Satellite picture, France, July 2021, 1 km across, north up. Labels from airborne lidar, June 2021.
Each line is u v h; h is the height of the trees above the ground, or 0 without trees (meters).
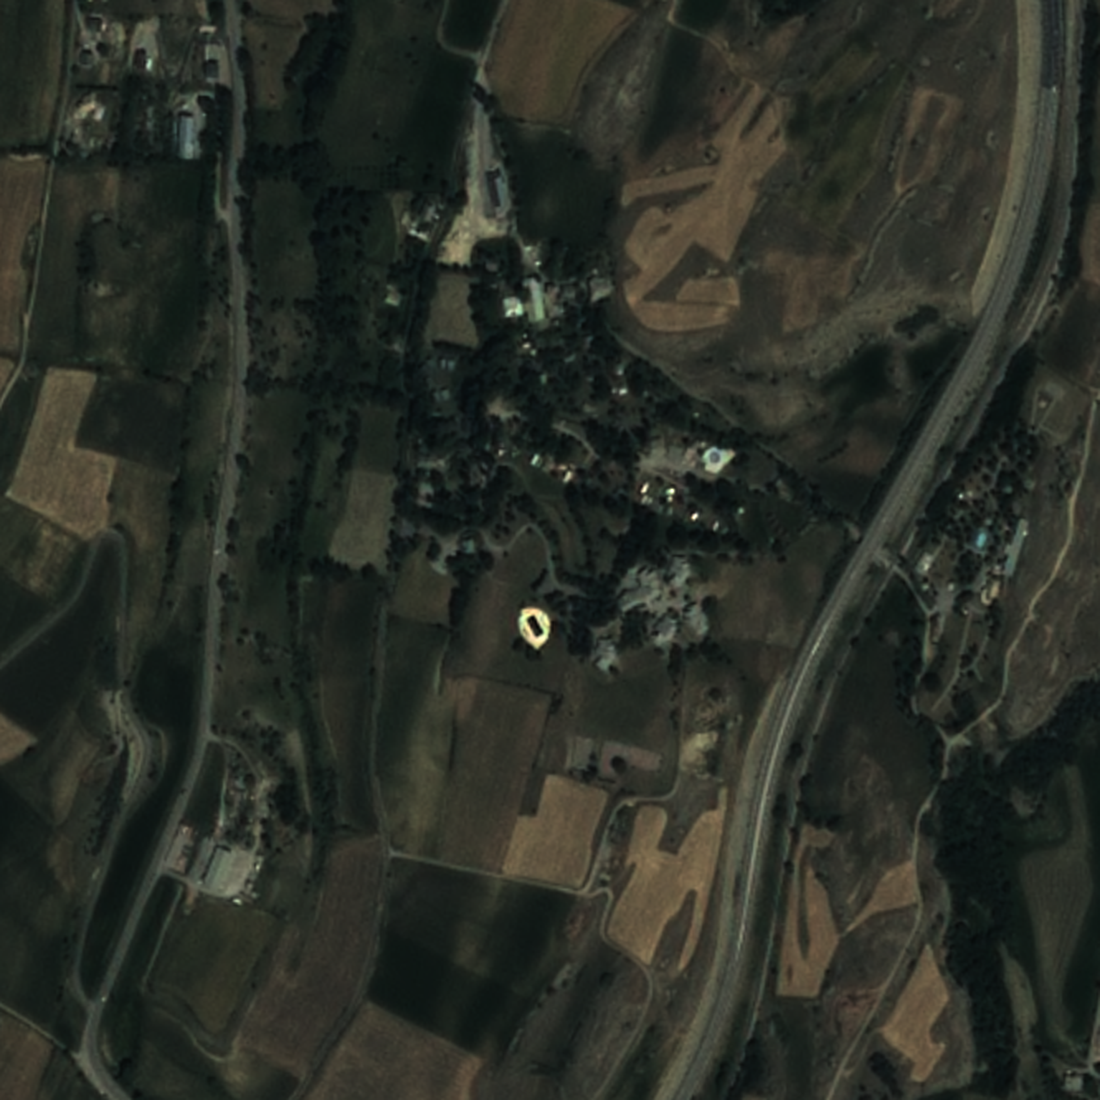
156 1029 0
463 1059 0
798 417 0
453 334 0
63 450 0
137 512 0
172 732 0
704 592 0
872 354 0
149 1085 0
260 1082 0
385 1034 0
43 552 0
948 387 0
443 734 0
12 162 0
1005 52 0
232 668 0
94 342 0
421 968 0
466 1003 0
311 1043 0
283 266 0
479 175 0
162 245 0
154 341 0
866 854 0
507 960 0
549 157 0
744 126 0
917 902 0
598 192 0
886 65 0
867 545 0
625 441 12
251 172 16
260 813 0
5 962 0
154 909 0
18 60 0
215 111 15
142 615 0
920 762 0
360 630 0
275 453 0
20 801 0
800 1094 0
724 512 19
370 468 0
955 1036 0
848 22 0
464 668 0
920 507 0
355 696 0
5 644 0
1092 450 0
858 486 0
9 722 0
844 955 0
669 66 0
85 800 0
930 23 0
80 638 0
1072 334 0
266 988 0
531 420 16
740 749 0
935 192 0
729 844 0
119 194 0
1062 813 0
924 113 0
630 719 0
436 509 17
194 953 0
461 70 0
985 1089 10
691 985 0
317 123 15
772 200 0
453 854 0
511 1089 0
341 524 0
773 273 0
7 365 0
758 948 0
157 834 0
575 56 0
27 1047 0
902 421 0
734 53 0
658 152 0
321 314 7
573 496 15
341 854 0
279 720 0
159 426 0
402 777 0
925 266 0
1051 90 0
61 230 0
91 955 0
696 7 0
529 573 0
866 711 0
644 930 0
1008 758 16
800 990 0
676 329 0
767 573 0
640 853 0
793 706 0
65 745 0
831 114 0
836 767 0
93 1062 0
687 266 0
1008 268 0
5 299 0
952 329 0
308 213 0
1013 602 0
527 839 0
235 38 0
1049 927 0
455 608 10
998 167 0
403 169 10
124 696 0
